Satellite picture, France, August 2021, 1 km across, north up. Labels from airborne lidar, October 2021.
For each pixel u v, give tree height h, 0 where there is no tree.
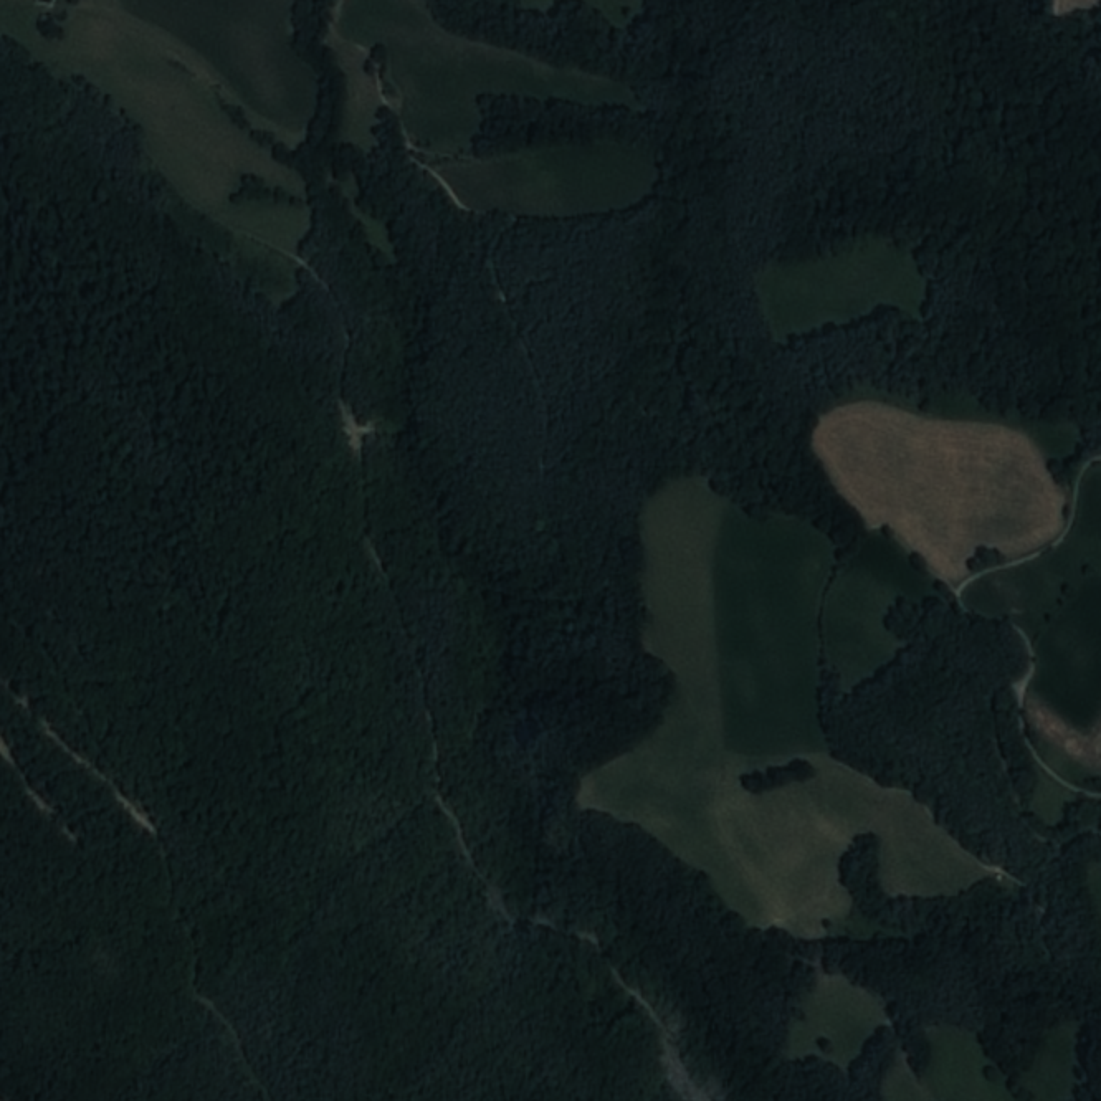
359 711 21
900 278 0
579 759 17
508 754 10
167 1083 19
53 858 12
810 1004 0
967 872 0
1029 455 0
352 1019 19
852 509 18
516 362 13
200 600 24
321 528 25
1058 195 29
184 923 15
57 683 25
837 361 16
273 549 22
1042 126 21
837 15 18
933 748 13
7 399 24
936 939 22
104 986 11
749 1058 27
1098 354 25
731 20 17
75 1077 23
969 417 0
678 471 19
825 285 0
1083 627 0
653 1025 15
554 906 13
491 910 9
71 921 12
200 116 0
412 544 19
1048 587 0
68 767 22
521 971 14
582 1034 17
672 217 29
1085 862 11
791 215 22
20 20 0
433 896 13
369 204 13
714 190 20
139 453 20
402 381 12
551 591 21
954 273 17
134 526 24
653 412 16
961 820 12
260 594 15
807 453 22
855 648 0
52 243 25
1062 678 0
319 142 20
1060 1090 0
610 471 14
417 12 0
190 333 22
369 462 17
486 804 8
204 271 21
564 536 19
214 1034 12
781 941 24
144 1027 21
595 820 13
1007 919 12
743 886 0
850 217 23
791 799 0
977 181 17
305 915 17
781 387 18
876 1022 0
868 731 11
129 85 0
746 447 26
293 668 16
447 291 16
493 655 15
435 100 0
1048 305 26
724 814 0
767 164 20
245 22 0
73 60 0
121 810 21
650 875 19
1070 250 27
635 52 21
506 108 13
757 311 16
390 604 21
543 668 20
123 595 26
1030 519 0
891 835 0
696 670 0
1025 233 17
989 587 0
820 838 0
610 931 22
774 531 0
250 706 21
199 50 0
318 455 16
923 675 19
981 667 15
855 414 0
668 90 15
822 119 22
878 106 19
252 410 18
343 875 13
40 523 24
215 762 24
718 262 20
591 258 11
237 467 18
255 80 0
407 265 20
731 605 0
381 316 13
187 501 17
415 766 10
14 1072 22
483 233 12
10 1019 20
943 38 22
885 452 0
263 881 17
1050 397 19
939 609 20
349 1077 15
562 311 12
